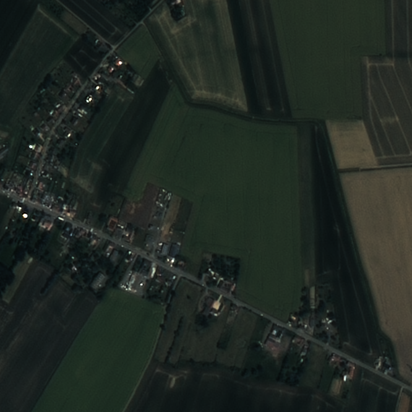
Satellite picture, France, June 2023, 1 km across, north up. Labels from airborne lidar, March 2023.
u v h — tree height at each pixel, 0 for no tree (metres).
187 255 0
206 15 0
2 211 0
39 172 0
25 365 0
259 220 0
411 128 0
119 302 0
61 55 0
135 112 0
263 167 0
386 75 0
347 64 0
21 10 0
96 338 0
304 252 0
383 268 0
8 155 0
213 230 0
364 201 0
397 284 0
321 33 0
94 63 0
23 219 0
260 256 0
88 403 0
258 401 0
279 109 0
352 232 0
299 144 0
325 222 0
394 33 0
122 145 0
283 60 0
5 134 0
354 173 0
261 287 0
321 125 0
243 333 0
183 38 0
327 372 0
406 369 0
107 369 0
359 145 0
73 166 0
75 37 0
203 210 0
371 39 0
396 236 0
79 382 0
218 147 0
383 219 0
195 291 0
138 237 0
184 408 0
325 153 0
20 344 0
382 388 0
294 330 0
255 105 0
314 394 0
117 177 0
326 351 0
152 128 0
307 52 0
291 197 0
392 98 0
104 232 0
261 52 0
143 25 0
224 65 0
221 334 0
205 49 0
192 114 0
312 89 0
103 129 0
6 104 0
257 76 0
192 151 0
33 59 0
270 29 0
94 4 0
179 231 0
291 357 0
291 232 0
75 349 0
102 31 0
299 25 0
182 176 0
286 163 0
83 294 0
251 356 0
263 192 0
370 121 0
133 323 0
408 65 0
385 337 0
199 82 0
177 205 0
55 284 0
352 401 0
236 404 0
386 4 0
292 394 0
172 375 0
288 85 0
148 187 0
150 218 0
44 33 0
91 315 0
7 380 0
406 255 0
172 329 0
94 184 0
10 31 0
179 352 0
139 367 0
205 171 0
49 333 0
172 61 0
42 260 10
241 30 0
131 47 0
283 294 0
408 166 0
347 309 0
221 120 0
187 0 0
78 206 0
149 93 0
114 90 0
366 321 0
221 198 0
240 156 0
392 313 0
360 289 0
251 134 0
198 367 0
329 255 0
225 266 9
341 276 0
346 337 0
